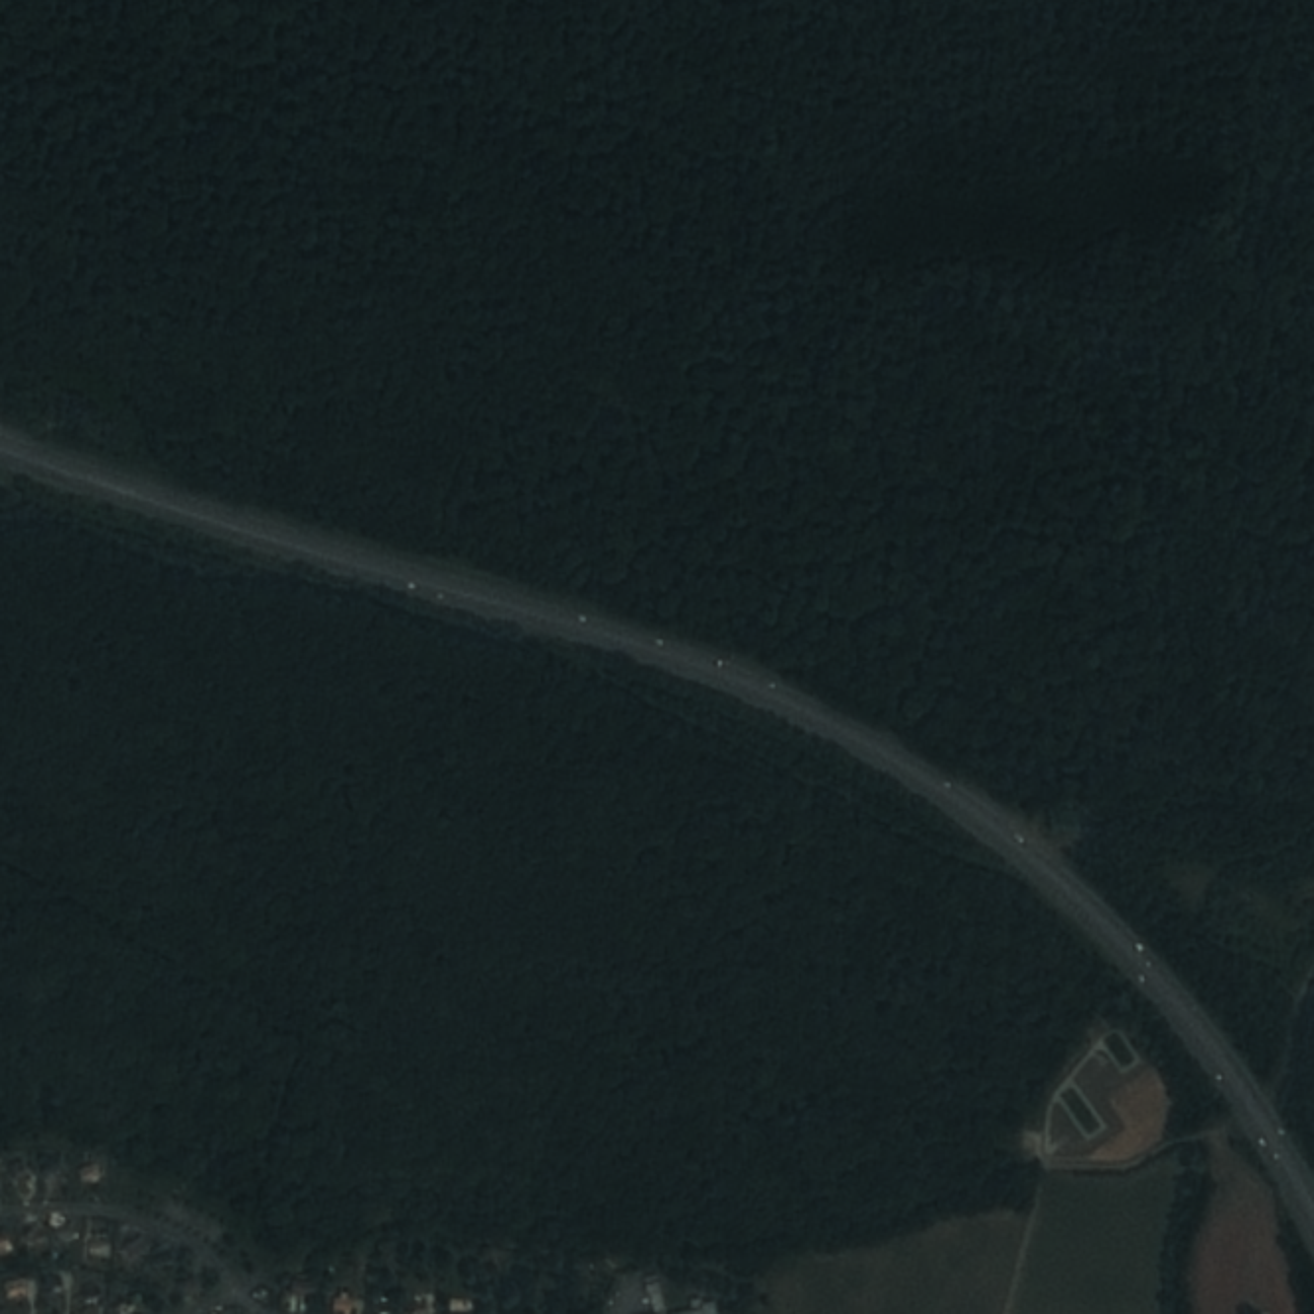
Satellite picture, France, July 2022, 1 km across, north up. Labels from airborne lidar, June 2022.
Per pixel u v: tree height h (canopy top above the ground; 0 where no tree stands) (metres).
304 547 0
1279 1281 0
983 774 19
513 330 23
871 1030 25
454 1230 23
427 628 23
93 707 27
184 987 26
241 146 12
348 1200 24
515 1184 25
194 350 25
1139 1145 0
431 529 23
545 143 20
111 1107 22
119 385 15
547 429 12
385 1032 25
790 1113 22
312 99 27
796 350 23
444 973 26
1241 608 24
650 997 24
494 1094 29
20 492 16
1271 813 23
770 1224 22
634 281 24
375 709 29
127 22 24
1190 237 29
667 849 25
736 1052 26
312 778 21
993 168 19
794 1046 28
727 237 16
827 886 23
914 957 22
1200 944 17
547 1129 28
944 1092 24
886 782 16
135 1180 0
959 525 16
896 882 26
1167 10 15
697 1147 21
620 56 27
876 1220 23
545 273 25
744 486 18
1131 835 14
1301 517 26
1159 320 17
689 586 25
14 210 21
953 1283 0
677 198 25
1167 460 28
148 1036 23
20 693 27
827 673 20
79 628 31
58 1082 27
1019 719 14
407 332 21
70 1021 23
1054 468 14
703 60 16
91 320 25
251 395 24
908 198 17
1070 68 21
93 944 20
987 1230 0
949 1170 19
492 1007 28
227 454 18
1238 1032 16
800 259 10
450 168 26
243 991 22
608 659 15
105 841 21
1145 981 0
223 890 23
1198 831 19
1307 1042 21
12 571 28
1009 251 11
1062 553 26
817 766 13
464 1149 25
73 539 25
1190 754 27
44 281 23
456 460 21
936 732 23
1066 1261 0
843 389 5
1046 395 19
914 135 19
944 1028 20
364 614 25
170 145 24
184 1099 23
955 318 25
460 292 19
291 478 24
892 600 8
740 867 26
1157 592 6
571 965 22
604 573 21
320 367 24
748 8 24
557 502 24
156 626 32
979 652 25
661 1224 25
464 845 28
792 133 21
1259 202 25
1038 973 24
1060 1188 0
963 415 10
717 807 25
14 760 28
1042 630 22
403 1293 12
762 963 26
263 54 20
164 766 22
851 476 21
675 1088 26
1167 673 30
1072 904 0
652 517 24
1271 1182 6
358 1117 20
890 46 24
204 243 22
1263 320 32
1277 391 28
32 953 24
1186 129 16
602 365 25
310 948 21
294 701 26
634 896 23
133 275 26
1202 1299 0
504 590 0
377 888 28
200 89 11
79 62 10
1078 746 23
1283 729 27
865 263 14
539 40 27
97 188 20
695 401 24
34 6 25
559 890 25
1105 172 17
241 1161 27
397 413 26
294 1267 14
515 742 24
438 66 21
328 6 25
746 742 10
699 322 24
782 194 12
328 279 20
